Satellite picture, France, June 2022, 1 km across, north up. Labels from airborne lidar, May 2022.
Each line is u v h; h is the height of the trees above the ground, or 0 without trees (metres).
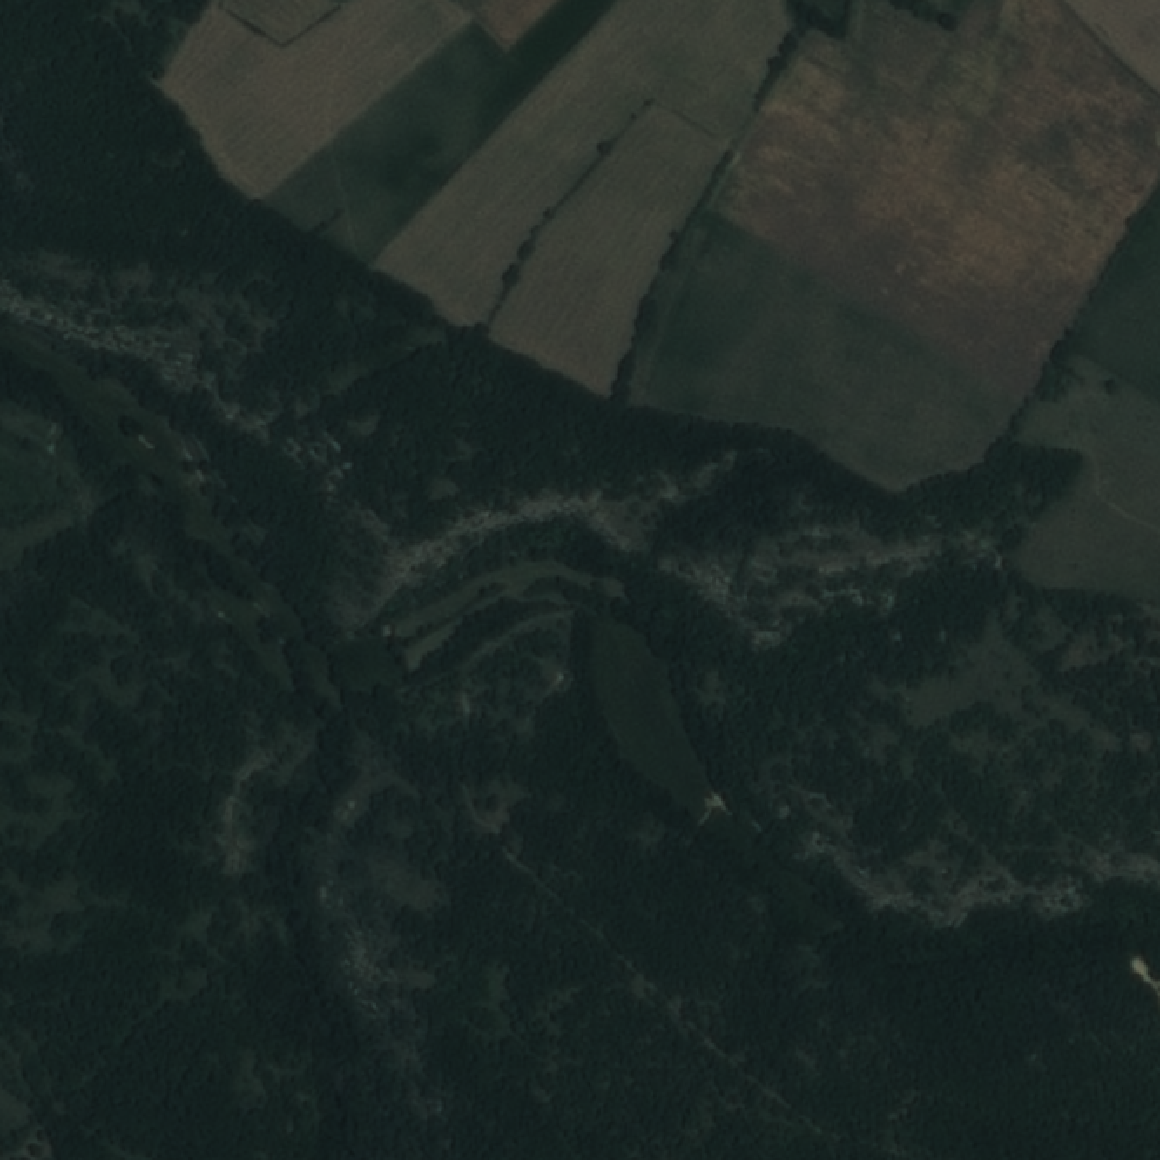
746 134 0
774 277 0
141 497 8
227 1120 15
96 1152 11
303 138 0
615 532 0
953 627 6
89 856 10
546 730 9
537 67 0
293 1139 11
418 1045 6
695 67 0
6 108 10
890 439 0
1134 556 0
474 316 0
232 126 0
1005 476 12
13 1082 8
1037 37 0
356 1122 11
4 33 9
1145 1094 10
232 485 10
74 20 13
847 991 6
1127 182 0
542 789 9
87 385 0
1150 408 0
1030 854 7
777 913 15
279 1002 13
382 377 13
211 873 9
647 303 10
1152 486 0
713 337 0
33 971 7
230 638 9
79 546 10
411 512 9
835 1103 8
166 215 8
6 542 0
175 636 7
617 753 12
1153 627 7
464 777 9
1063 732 9
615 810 11
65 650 9
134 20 7
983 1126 9
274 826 7
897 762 7
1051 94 0
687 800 0
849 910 11
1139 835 7
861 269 0
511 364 14
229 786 9
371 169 0
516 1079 8
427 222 0
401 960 6
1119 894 13
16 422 0
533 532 14
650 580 16
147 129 10
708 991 7
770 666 12
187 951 8
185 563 6
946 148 0
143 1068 13
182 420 9
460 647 13
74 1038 9
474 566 11
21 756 0
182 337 0
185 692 13
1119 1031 7
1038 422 0
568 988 10
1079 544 0
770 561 0
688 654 10
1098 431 0
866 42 0
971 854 6
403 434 9
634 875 11
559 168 0
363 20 0
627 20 0
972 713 6
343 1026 21
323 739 21
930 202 0
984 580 9
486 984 9
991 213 0
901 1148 9
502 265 0
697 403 0
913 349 0
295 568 11
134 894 6
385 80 0
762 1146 9
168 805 8
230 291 9
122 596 8
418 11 0
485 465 11
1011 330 0
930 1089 9
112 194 10
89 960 12
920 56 0
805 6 11
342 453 6
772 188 0
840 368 0
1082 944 10
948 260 0
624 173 0
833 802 8
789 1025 10
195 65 0
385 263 0
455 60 0
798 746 6
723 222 0
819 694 8
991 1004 13
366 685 0
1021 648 8
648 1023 11
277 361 10
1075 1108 7
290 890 8
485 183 0
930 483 9
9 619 11
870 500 10
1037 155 0
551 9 0
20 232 8
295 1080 9
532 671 6
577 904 9
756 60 0
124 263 7
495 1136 7
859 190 0
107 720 10
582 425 10
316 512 9
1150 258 0
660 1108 8
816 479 9
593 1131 10
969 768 8
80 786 8
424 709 6
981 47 0
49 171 10
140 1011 10
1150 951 15
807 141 0
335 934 6
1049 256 0
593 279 0
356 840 10
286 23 0
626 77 0
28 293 8
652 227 0
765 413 0
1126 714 7
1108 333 0
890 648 8
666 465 8
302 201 0
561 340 0
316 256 15
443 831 7
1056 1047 7
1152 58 0
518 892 10
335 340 10
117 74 12
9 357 18
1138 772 10
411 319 7
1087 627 10
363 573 5
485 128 0
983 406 0
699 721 7
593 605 8
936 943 13
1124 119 0
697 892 9
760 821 12
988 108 0
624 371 11
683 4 0
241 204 14
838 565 0
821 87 0
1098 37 0
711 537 6
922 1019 14
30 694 8
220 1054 15
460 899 8
